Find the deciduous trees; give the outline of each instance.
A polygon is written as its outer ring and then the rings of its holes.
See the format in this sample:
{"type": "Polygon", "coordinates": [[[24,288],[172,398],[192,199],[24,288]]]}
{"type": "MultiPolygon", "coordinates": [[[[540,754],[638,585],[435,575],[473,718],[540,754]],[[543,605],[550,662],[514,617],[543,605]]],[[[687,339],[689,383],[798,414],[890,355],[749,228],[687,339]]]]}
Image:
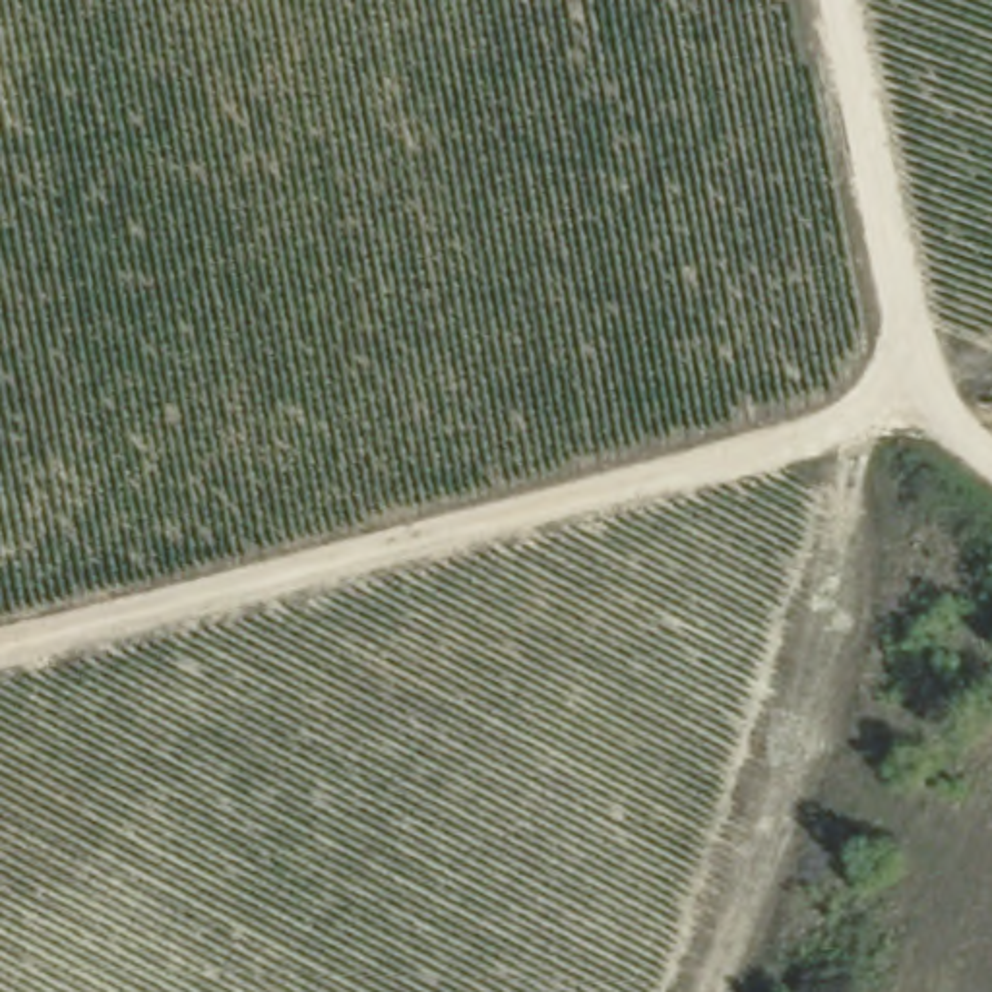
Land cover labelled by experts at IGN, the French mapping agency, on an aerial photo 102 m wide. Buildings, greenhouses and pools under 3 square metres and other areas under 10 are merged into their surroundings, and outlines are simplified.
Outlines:
{"type": "Polygon", "coordinates": [[[957,670],[961,636],[969,632],[965,616],[973,608],[969,601],[938,601],[907,632],[907,639],[915,651],[934,651],[934,667],[957,670]]]}
{"type": "Polygon", "coordinates": [[[984,674],[969,694],[949,701],[949,732],[934,748],[891,748],[891,756],[884,760],[887,783],[899,794],[915,794],[918,787],[926,787],[934,771],[953,771],[973,748],[992,740],[992,674],[984,674]]]}
{"type": "Polygon", "coordinates": [[[907,853],[899,841],[849,841],[845,860],[856,876],[860,895],[876,895],[903,876],[907,853]]]}

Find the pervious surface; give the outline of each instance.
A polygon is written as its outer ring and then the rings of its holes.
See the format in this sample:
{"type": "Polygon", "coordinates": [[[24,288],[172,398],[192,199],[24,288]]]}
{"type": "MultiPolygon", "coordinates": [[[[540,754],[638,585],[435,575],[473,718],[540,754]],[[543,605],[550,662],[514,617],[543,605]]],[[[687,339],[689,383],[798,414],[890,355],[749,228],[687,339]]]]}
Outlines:
{"type": "Polygon", "coordinates": [[[891,120],[876,39],[864,23],[864,0],[818,0],[818,81],[829,85],[841,101],[853,198],[864,221],[864,244],[880,302],[876,357],[853,391],[845,391],[818,415],[709,442],[686,453],[608,469],[597,477],[430,515],[419,523],[341,539],[329,546],[252,566],[233,566],[194,581],[171,581],[159,589],[93,601],[54,616],[31,616],[31,608],[19,608],[16,620],[0,628],[0,670],[39,670],[81,647],[112,651],[112,639],[147,632],[155,636],[159,628],[190,632],[198,628],[198,620],[236,616],[248,605],[291,597],[306,585],[345,585],[360,574],[415,558],[453,558],[500,535],[515,535],[531,546],[539,523],[570,519],[581,512],[663,504],[663,496],[670,492],[690,496],[709,484],[767,477],[787,469],[791,461],[806,461],[833,450],[860,442],[872,446],[895,430],[911,438],[934,438],[942,450],[961,457],[977,477],[992,484],[992,391],[984,388],[984,395],[973,407],[961,403],[949,380],[946,353],[934,337],[934,318],[930,283],[918,252],[918,225],[903,198],[907,167],[899,151],[899,128],[891,120]]]}

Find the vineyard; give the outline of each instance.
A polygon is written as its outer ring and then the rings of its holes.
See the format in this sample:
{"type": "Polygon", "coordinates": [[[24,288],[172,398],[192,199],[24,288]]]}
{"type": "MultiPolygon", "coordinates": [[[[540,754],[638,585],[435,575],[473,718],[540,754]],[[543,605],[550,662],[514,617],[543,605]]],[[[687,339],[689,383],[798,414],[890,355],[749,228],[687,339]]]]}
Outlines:
{"type": "Polygon", "coordinates": [[[0,992],[651,992],[674,942],[678,899],[698,860],[698,841],[713,818],[721,767],[736,740],[732,721],[744,709],[756,659],[763,651],[767,608],[783,589],[787,558],[798,550],[810,488],[825,484],[837,469],[833,450],[806,461],[791,461],[787,469],[767,477],[709,484],[690,496],[670,492],[663,496],[663,504],[581,512],[570,519],[539,523],[531,546],[515,535],[500,535],[453,558],[415,558],[360,574],[345,585],[306,585],[291,597],[248,605],[236,616],[198,620],[198,628],[190,632],[159,628],[155,636],[147,632],[112,639],[112,651],[81,647],[39,670],[0,670],[0,992]]]}
{"type": "Polygon", "coordinates": [[[930,283],[934,318],[946,326],[992,333],[992,0],[864,0],[864,23],[876,39],[891,120],[899,128],[899,151],[907,167],[903,198],[918,225],[918,252],[930,283]]]}
{"type": "Polygon", "coordinates": [[[430,515],[597,477],[608,469],[686,453],[709,442],[818,415],[845,391],[853,391],[876,357],[880,302],[864,244],[864,221],[853,198],[841,101],[829,85],[818,81],[818,0],[0,0],[0,628],[16,620],[19,608],[31,608],[31,616],[54,616],[93,601],[159,589],[171,581],[194,581],[233,566],[252,566],[329,546],[341,539],[419,523],[430,515]]]}

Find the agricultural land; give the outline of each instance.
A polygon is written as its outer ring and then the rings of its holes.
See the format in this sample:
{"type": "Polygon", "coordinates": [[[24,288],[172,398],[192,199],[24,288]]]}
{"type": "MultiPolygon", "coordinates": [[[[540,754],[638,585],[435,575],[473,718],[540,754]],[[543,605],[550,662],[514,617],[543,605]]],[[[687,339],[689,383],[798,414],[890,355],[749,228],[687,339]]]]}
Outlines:
{"type": "Polygon", "coordinates": [[[810,763],[802,802],[794,806],[794,845],[752,930],[744,969],[732,977],[729,992],[794,992],[798,984],[822,988],[825,977],[822,949],[802,957],[794,953],[794,942],[806,938],[810,926],[837,926],[845,915],[856,911],[884,926],[884,946],[895,946],[895,957],[887,961],[872,992],[992,992],[992,740],[973,748],[953,771],[934,771],[926,787],[918,787],[915,794],[899,794],[887,783],[884,760],[891,756],[891,748],[934,748],[949,732],[949,701],[969,694],[984,674],[992,674],[992,550],[977,539],[957,554],[946,527],[922,527],[903,512],[895,496],[899,477],[872,461],[864,473],[864,512],[856,531],[849,535],[849,577],[837,589],[837,601],[853,612],[853,628],[845,636],[833,678],[833,698],[841,701],[841,721],[833,729],[837,744],[810,763]],[[969,632],[961,636],[957,670],[934,667],[934,651],[915,651],[907,639],[907,632],[938,601],[969,601],[973,608],[965,616],[969,632]],[[876,895],[860,895],[856,876],[845,860],[849,841],[899,841],[907,853],[903,876],[876,895]]]}

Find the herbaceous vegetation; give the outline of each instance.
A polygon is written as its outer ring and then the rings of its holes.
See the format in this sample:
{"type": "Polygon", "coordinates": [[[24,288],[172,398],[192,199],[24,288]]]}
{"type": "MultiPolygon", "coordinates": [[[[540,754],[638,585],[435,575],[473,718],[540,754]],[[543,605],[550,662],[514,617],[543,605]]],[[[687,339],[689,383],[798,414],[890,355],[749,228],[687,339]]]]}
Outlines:
{"type": "Polygon", "coordinates": [[[992,391],[992,333],[946,326],[934,318],[934,337],[946,353],[949,380],[961,403],[973,407],[984,395],[984,388],[992,391]]]}
{"type": "Polygon", "coordinates": [[[752,930],[794,845],[794,806],[802,802],[810,763],[837,744],[833,729],[841,721],[841,701],[833,698],[833,678],[845,636],[853,628],[853,612],[837,601],[837,589],[849,577],[849,535],[856,531],[864,512],[864,473],[872,461],[872,446],[860,442],[833,450],[837,469],[825,484],[810,488],[798,550],[787,558],[783,589],[767,608],[763,651],[756,659],[744,709],[732,721],[736,740],[721,767],[713,818],[698,841],[698,860],[678,899],[674,942],[651,992],[729,992],[732,977],[744,969],[752,930]]]}

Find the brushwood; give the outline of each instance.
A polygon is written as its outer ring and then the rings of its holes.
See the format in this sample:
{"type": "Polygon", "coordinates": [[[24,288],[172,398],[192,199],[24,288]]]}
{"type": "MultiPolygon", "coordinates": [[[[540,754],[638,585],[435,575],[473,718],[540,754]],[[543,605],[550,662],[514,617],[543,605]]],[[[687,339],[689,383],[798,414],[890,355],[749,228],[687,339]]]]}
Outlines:
{"type": "Polygon", "coordinates": [[[856,911],[845,915],[837,926],[810,926],[806,938],[794,942],[794,953],[802,957],[822,949],[825,977],[822,988],[798,984],[794,992],[872,992],[887,961],[895,957],[895,946],[884,946],[884,926],[856,911]]]}
{"type": "Polygon", "coordinates": [[[899,477],[895,496],[903,512],[922,527],[946,527],[957,554],[977,539],[992,550],[992,484],[977,477],[961,457],[942,450],[934,438],[911,438],[895,430],[872,446],[872,461],[899,477]]]}

